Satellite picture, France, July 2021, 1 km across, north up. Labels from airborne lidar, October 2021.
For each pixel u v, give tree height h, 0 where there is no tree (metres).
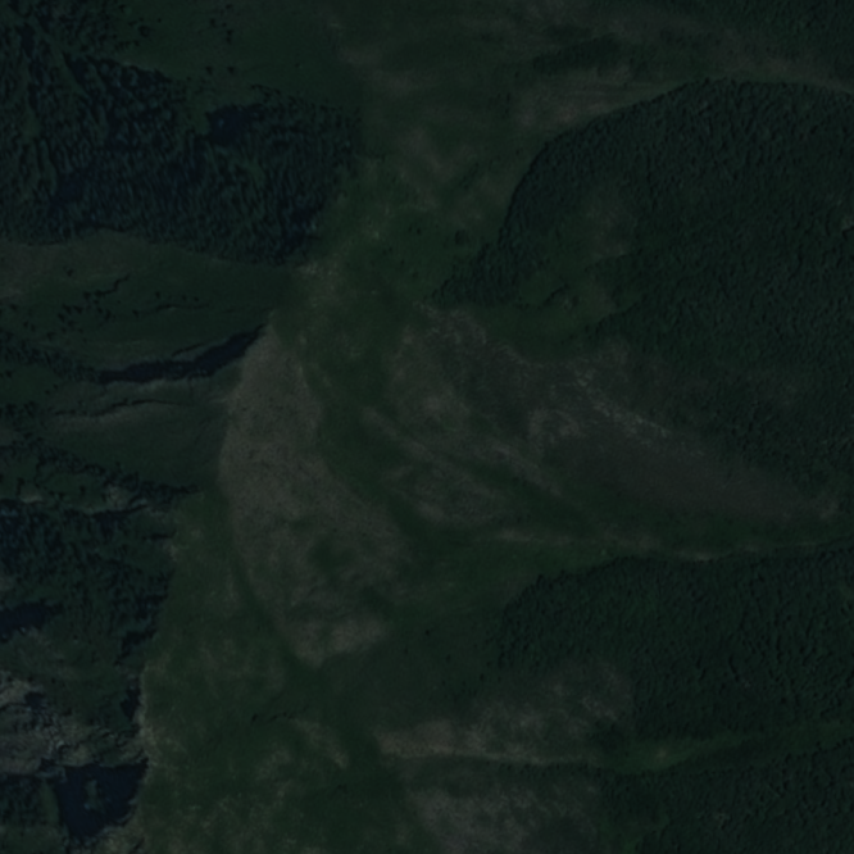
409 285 0
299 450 0
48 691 0
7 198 15
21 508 13
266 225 20
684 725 19
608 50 10
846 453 18
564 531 0
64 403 0
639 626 17
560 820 0
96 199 14
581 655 10
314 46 0
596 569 13
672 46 8
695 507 0
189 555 0
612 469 0
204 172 14
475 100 0
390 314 0
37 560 10
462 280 13
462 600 0
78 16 17
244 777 0
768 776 16
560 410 0
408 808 0
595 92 0
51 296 0
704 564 15
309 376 0
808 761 15
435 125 0
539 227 11
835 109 19
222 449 0
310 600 0
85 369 6
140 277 0
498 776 0
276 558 0
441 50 0
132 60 0
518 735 0
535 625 12
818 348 17
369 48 0
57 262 0
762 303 23
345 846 0
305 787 0
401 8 0
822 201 16
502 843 0
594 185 11
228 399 0
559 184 16
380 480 0
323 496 0
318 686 0
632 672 11
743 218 16
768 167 26
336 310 0
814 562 9
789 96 24
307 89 0
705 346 14
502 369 0
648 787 12
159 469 0
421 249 0
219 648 0
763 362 12
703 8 10
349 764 0
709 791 17
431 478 0
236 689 0
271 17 0
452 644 0
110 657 0
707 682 17
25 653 0
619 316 10
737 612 20
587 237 0
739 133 17
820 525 6
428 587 0
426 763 0
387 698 0
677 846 16
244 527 0
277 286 0
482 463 0
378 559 0
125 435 0
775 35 6
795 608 24
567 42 6
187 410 0
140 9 0
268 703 0
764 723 19
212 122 0
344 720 0
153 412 0
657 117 13
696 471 0
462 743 0
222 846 0
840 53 11
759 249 14
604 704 0
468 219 0
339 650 0
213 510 0
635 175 14
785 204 16
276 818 0
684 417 8
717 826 12
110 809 0
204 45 0
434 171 0
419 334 0
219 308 0
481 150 0
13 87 26
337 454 0
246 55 0
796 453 7
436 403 0
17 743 0
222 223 9
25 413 9
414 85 0
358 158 21
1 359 13
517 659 12
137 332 0
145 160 13
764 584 18
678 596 14
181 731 0
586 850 0
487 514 0
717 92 18
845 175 14
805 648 20
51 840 0
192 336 0
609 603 15
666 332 14
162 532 0
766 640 16
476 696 6
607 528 0
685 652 14
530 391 0
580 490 0
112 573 10
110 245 0
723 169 20
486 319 0
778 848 10
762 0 16
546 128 0
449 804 0
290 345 0
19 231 13
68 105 16
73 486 0
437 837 0
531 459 0
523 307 10
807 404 9
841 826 16
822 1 17
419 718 0
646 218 10
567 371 0
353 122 8
